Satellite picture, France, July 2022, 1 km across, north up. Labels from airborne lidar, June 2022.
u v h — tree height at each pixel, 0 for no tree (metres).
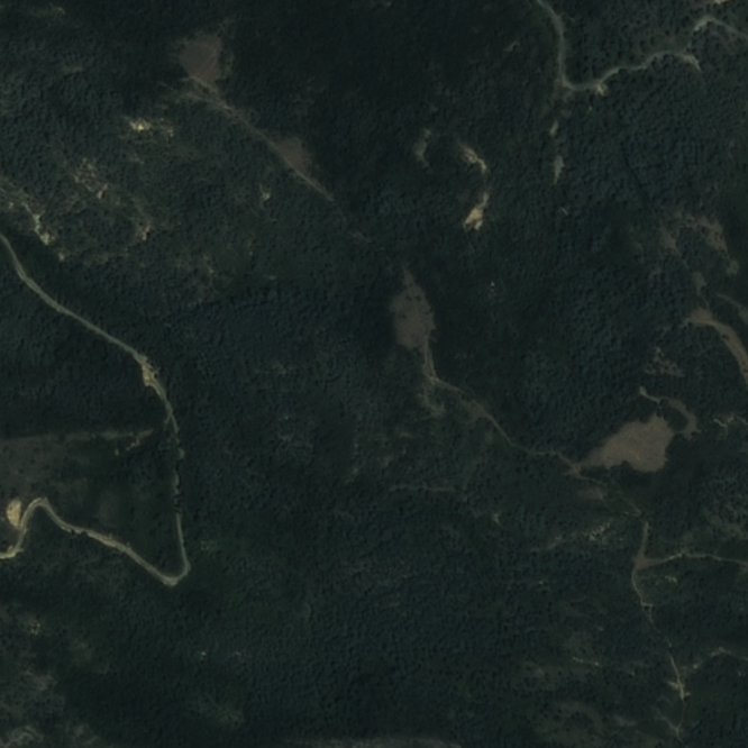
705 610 7
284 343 12
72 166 7
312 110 8
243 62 9
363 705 13
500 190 8
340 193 9
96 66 11
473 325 7
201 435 11
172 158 7
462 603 8
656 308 8
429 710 6
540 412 10
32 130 10
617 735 5
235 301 14
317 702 12
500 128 7
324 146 7
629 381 6
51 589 8
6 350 11
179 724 11
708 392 11
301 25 7
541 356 10
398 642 15
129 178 10
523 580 9
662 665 7
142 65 8
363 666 12
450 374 7
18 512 0
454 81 7
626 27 6
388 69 9
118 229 8
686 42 0
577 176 13
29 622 0
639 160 14
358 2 10
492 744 9
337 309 8
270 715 11
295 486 17
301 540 7
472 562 8
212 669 8
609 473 7
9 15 7
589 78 11
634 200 14
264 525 7
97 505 0
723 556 7
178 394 15
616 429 7
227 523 8
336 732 9
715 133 9
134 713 9
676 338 7
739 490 9
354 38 7
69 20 10
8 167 11
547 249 10
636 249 0
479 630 10
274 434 8
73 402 10
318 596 11
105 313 10
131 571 9
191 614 12
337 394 12
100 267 9
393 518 11
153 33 10
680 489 7
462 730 12
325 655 12
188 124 12
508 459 9
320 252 12
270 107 12
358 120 12
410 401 6
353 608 7
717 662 9
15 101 13
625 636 9
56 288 10
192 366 8
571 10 8
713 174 13
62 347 9
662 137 15
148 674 11
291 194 9
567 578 8
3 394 9
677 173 14
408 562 7
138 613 7
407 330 0
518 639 11
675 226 11
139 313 9
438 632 13
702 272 9
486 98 7
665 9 15
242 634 8
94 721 10
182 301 10
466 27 6
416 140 8
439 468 9
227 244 8
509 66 8
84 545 8
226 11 5
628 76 6
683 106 9
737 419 8
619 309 6
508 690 7
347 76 9
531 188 6
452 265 12
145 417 7
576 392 10
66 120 8
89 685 11
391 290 7
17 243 10
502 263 9
